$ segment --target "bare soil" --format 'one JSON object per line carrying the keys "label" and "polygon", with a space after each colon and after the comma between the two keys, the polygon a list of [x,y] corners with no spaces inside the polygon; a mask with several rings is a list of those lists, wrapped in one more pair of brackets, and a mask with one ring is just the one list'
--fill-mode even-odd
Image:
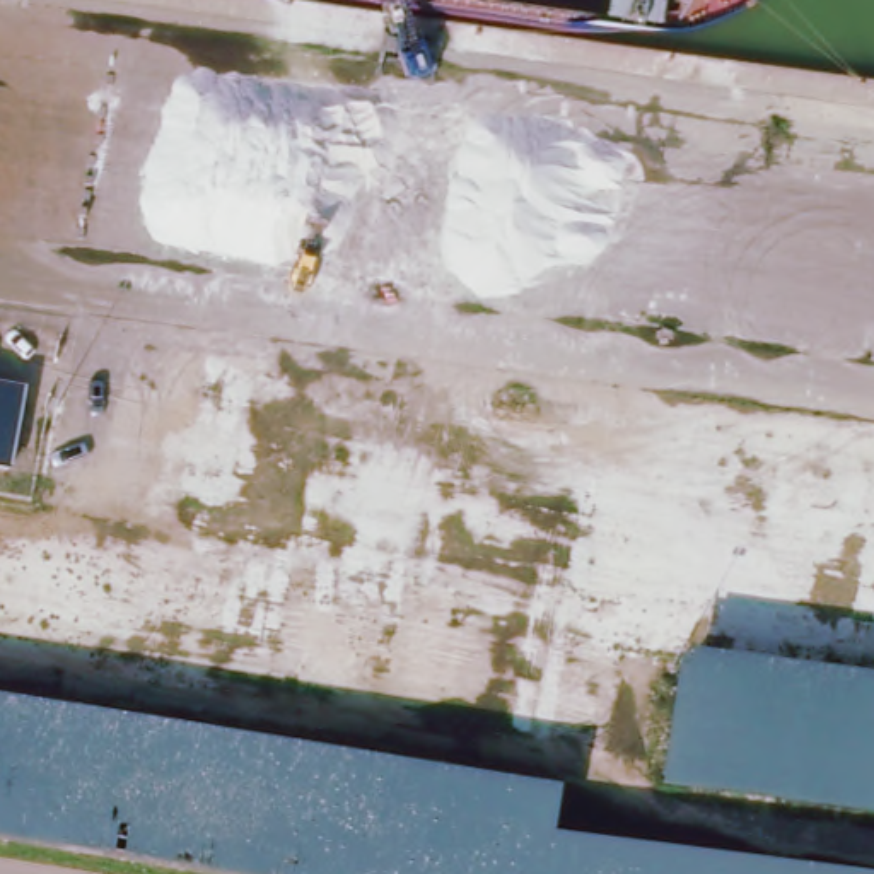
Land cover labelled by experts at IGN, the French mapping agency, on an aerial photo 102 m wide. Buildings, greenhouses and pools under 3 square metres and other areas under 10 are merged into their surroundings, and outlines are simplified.
{"label": "bare soil", "polygon": [[229,543],[195,536],[188,546],[99,546],[92,536],[79,536],[14,539],[0,550],[0,635],[68,642],[89,649],[99,645],[116,652],[143,652],[150,659],[167,662],[208,666],[222,649],[232,645],[229,638],[239,618],[239,594],[219,580],[219,553]]}

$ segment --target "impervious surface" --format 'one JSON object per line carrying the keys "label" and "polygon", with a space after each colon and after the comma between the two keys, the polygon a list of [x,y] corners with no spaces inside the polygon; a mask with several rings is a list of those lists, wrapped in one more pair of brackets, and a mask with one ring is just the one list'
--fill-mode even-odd
{"label": "impervious surface", "polygon": [[[154,242],[154,236],[147,232],[140,212],[143,164],[157,140],[171,85],[184,82],[195,65],[242,75],[280,72],[287,85],[311,92],[321,92],[331,75],[338,82],[376,82],[382,89],[376,116],[382,119],[379,137],[389,147],[376,154],[376,184],[362,195],[335,198],[338,215],[328,225],[324,239],[307,236],[287,263],[259,266],[229,256],[184,253]],[[628,147],[642,160],[649,184],[638,191],[632,212],[618,222],[621,239],[597,259],[584,266],[546,270],[536,277],[533,287],[512,297],[481,300],[471,297],[471,290],[447,270],[440,246],[447,171],[457,160],[454,133],[461,133],[471,123],[481,123],[509,147],[522,133],[522,123],[529,116],[539,123],[560,123],[560,140],[587,143],[597,160],[611,160],[621,147]],[[417,14],[403,14],[399,7],[352,10],[304,0],[0,0],[0,352],[14,352],[17,358],[44,358],[31,440],[20,454],[10,454],[10,461],[0,464],[0,550],[14,539],[79,536],[92,536],[99,546],[188,546],[195,536],[229,543],[219,553],[219,580],[239,594],[239,618],[229,638],[232,645],[222,649],[208,666],[427,703],[481,703],[488,710],[509,710],[522,720],[591,724],[594,748],[587,775],[594,782],[656,789],[662,795],[679,792],[676,782],[666,778],[666,751],[673,731],[673,686],[679,683],[673,669],[686,642],[707,642],[710,649],[734,649],[748,656],[785,656],[802,662],[874,669],[874,79],[447,24],[444,10],[434,20],[420,20]]]}
{"label": "impervious surface", "polygon": [[0,857],[0,874],[96,874],[58,864]]}

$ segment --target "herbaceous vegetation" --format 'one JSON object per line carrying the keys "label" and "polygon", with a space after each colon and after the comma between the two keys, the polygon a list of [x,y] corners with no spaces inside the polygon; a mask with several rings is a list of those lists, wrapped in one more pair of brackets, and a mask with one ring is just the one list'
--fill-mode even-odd
{"label": "herbaceous vegetation", "polygon": [[58,864],[96,874],[229,874],[85,847],[0,836],[0,857]]}

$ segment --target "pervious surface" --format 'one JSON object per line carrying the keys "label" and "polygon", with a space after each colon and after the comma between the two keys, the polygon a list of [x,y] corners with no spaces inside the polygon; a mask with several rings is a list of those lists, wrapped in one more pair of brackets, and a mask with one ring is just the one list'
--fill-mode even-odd
{"label": "pervious surface", "polygon": [[287,263],[307,236],[324,239],[328,225],[338,215],[335,198],[362,195],[376,184],[376,154],[389,147],[379,137],[382,119],[376,116],[382,89],[376,82],[338,82],[331,75],[321,92],[311,92],[287,85],[280,72],[242,75],[195,65],[184,82],[171,85],[157,140],[143,164],[140,212],[147,232],[154,236],[154,242],[184,253],[229,256],[259,266]]}
{"label": "pervious surface", "polygon": [[481,300],[512,297],[533,287],[536,277],[546,270],[584,266],[597,259],[621,239],[618,222],[632,212],[638,191],[649,184],[642,160],[628,147],[621,147],[611,160],[597,160],[587,143],[560,140],[560,123],[539,123],[529,116],[522,123],[522,133],[509,147],[481,123],[471,123],[461,133],[454,133],[457,160],[447,171],[440,246],[447,270],[471,290],[471,297]]}

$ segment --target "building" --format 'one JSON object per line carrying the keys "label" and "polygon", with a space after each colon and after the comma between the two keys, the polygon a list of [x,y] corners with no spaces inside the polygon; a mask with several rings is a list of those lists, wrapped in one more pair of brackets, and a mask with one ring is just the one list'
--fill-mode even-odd
{"label": "building", "polygon": [[673,731],[666,751],[666,778],[676,782],[679,792],[662,795],[656,789],[594,782],[587,775],[594,748],[591,724],[522,720],[509,710],[488,710],[481,703],[427,703],[208,666],[167,662],[150,659],[143,652],[116,652],[99,645],[89,649],[68,642],[0,635],[0,836],[85,847],[229,874],[874,874],[874,669],[802,662],[785,656],[748,656],[734,649],[710,649],[707,642],[686,642],[673,669],[679,683],[673,686]]}
{"label": "building", "polygon": [[17,358],[14,352],[0,352],[0,464],[10,461],[10,454],[20,454],[31,440],[44,358]]}

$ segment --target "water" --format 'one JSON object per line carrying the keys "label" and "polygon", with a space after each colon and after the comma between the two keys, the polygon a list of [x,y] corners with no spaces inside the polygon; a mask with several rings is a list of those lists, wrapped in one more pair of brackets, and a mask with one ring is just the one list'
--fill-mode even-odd
{"label": "water", "polygon": [[352,10],[399,7],[403,14],[417,14],[420,20],[434,20],[444,10],[447,24],[874,79],[874,0],[304,0]]}

